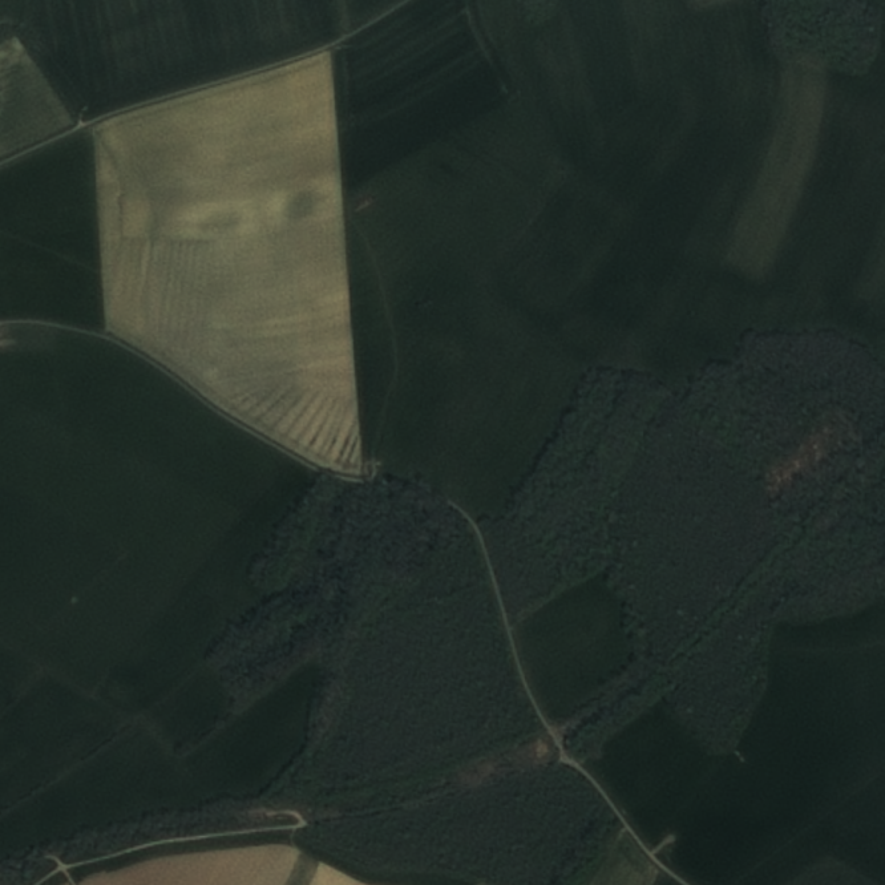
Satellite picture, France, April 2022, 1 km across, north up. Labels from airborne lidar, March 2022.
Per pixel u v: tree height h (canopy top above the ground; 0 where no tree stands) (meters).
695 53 0
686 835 0
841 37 27
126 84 0
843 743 0
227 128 0
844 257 0
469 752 12
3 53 0
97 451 0
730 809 0
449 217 0
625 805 0
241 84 0
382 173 0
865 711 0
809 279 0
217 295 0
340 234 0
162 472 0
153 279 0
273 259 0
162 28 0
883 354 0
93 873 0
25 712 0
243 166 0
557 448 17
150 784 0
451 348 0
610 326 0
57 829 0
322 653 23
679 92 0
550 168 0
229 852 0
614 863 0
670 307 0
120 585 0
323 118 0
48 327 0
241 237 0
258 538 0
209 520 0
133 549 0
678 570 15
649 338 0
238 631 19
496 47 0
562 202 0
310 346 0
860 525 26
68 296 0
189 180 0
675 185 0
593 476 24
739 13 0
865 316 0
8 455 0
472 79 0
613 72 0
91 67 0
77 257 0
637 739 0
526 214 0
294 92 0
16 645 0
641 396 22
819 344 13
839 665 0
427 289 0
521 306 0
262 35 0
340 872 0
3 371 0
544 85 0
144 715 0
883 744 0
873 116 0
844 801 0
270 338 0
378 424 0
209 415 0
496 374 0
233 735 0
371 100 0
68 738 0
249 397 0
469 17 0
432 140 0
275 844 0
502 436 0
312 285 0
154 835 12
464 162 0
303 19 0
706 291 0
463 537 19
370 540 21
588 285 0
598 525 23
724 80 0
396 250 0
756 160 0
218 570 0
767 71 0
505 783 9
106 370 0
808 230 0
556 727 0
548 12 13
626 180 0
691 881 0
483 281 0
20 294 0
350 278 0
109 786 0
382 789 9
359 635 24
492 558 9
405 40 0
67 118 0
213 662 16
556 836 13
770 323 0
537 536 18
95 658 0
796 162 0
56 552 0
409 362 0
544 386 0
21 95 0
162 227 0
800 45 24
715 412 21
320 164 0
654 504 15
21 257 0
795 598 20
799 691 0
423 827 13
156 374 0
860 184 0
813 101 0
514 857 13
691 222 0
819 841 0
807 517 22
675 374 0
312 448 0
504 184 0
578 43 0
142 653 0
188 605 0
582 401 19
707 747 10
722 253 0
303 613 22
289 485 0
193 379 0
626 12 0
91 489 0
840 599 24
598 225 0
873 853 0
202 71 0
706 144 0
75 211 0
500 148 0
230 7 0
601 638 0
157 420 0
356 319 0
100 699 0
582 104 0
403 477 0
